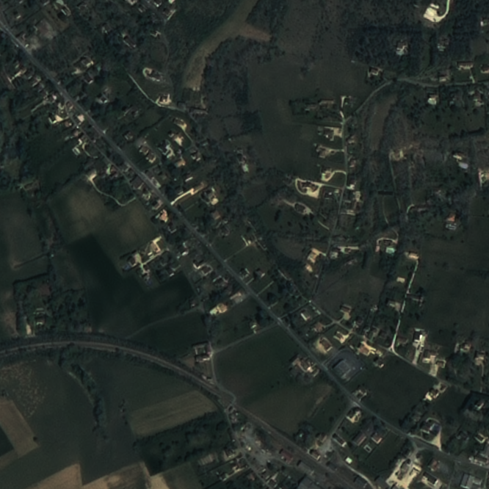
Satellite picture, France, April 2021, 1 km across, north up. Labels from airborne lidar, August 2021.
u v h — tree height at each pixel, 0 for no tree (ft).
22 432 0
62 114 0
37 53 47
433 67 52
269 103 0
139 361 60
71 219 0
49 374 0
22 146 36
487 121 26
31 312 58
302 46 0
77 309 74
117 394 0
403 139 34
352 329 31
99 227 0
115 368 0
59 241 45
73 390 0
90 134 27
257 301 0
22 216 0
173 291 0
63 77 25
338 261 30
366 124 46
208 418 27
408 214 19
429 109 42
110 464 0
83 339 53
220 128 0
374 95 24
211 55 21
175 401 0
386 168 49
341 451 28
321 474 0
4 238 0
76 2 21
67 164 0
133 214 0
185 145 0
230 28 0
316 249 0
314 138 0
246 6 0
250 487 23
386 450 0
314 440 97
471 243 0
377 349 32
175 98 23
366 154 35
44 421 0
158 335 0
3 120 92
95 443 0
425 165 33
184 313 23
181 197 0
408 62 48
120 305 0
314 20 0
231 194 23
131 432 0
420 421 22
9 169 0
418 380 0
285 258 24
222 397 0
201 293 28
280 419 0
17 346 55
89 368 0
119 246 0
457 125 0
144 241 0
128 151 0
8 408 0
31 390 0
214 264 0
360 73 0
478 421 71
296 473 0
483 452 0
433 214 39
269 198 31
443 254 0
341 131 0
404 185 61
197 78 0
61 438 0
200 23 21
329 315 37
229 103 0
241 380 0
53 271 55
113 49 73
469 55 58
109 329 0
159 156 0
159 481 0
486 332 0
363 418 33
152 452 0
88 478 0
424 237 38
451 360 32
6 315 0
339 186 0
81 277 0
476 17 36
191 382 49
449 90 40
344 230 18
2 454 0
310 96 0
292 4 0
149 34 33
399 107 44
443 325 0
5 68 38
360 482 0
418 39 49
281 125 0
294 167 0
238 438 0
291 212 29
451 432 0
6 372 0
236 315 0
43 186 28
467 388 51
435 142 41
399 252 46
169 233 23
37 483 0
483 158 47
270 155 0
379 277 0
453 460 0
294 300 34
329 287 0
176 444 27
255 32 0
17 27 32
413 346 0
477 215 0
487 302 0
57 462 0
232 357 0
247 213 37
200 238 0
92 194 0
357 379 0
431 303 0
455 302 0
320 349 0
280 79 0
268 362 0
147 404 0
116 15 67
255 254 0
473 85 28
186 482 0
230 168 51
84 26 23
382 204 0
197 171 26
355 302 0
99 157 42
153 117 0
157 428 0
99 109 50
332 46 0
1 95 36
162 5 26
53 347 40
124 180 19
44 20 0
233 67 48
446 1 0
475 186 43
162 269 30
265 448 56
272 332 0
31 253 0
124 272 25
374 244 46
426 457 0
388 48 43
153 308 0
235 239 0
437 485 0
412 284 0
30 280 31
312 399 0
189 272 0
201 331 0
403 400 0
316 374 0
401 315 23
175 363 50
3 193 36
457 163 0
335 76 0
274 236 39
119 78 32
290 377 0
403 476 0
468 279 0
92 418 0
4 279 0
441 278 0
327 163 0
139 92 30
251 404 0
